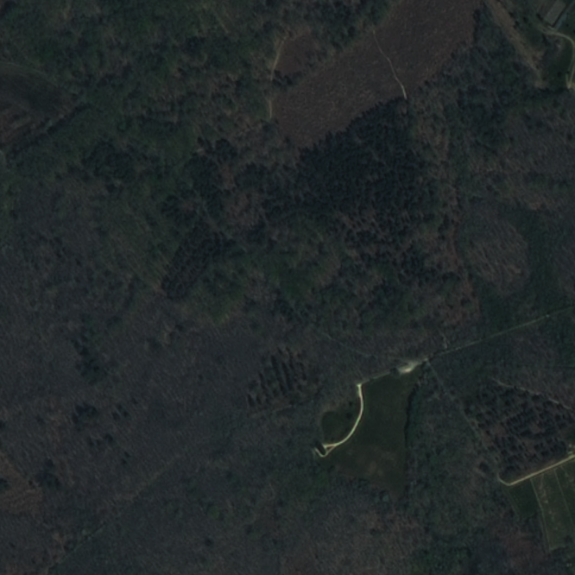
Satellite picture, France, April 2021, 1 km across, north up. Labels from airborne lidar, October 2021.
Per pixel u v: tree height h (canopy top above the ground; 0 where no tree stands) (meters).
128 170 29
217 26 16
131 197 21
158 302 14
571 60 0
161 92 15
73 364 14
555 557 6
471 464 13
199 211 15
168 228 23
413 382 0
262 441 17
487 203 17
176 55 22
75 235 16
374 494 10
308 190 10
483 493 18
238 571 13
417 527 11
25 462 18
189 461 15
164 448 15
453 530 16
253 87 20
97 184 18
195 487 16
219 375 16
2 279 16
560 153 11
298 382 18
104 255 20
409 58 0
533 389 14
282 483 21
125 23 21
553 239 19
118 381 13
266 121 19
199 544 16
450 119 24
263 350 14
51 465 14
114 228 24
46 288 12
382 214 16
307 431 15
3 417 16
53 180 25
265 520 6
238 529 21
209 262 17
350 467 0
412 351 11
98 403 9
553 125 18
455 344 11
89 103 24
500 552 15
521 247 13
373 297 13
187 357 15
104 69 22
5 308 16
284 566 15
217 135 19
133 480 15
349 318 9
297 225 16
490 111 11
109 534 18
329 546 20
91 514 13
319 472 20
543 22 18
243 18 16
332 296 18
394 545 17
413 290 13
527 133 14
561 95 13
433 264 13
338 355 19
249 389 10
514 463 17
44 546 12
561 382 12
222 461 16
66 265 24
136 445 13
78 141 23
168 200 15
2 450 17
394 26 0
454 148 14
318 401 13
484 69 16
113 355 14
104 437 11
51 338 19
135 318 13
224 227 17
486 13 23
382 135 18
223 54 20
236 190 9
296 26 22
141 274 26
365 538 19
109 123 25
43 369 14
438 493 19
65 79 24
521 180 14
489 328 20
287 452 20
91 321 16
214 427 16
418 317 23
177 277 11
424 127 12
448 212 18
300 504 18
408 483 9
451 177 17
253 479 18
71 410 10
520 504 0
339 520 17
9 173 23
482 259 17
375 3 16
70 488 12
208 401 14
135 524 15
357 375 18
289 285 22
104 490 13
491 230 21
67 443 13
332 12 19
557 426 14
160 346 15
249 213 12
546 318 14
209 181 22
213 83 19
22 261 19
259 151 8
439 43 0
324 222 18
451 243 7
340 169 14
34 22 20
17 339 14
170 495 15
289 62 0
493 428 14
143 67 25
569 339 13
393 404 0
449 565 20
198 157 9
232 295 19
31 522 11
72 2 19
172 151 21
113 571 18
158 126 16
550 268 17
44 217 14
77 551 20
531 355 15
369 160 18
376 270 18
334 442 7
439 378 20
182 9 20
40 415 11
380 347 13
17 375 14
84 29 23
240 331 16
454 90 22
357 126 15
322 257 17
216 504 16
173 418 11
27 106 10
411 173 18
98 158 28
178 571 19
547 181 18
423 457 17
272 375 19
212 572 8
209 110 14
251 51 17
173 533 17
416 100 8
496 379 19
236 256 14
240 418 13
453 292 17
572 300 12
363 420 0
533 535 10
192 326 15
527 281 17
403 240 10
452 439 18
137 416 14
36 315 14
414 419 21
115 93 21
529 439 18
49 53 25
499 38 22
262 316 13
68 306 15
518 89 18
